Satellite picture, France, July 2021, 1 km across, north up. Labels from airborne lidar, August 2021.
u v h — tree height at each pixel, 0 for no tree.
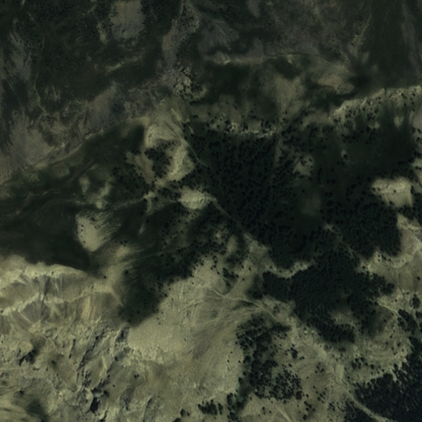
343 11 0
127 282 0
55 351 0
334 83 0
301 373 0
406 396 19
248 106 0
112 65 0
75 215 0
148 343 0
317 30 0
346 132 0
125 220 0
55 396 0
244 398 0
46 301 0
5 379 0
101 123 0
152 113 0
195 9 0
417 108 0
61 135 0
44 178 0
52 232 0
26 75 0
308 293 22
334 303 9
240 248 0
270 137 0
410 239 0
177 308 0
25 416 0
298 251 18
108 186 0
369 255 11
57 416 0
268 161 18
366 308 17
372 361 6
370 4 0
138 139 0
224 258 0
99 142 0
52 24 0
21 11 0
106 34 0
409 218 8
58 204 0
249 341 18
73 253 0
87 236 0
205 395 0
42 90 0
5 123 0
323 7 0
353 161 0
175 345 0
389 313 0
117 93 0
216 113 0
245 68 0
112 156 0
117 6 0
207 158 0
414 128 6
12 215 0
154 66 0
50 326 0
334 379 0
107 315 0
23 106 0
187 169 0
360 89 0
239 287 0
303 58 0
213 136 17
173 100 0
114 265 0
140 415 0
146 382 0
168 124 0
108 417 0
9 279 0
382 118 0
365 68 0
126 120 0
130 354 0
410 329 10
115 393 0
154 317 0
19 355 0
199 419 0
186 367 0
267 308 0
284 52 0
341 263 21
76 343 0
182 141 0
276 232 20
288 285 10
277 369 0
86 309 0
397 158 0
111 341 0
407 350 0
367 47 0
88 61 0
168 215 0
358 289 19
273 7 0
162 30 0
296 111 0
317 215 0
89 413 0
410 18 0
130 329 0
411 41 0
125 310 0
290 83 0
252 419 0
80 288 0
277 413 0
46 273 0
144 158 0
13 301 0
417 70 0
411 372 12
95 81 0
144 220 0
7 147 0
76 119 0
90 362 0
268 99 0
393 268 0
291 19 0
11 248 0
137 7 0
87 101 0
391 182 0
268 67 0
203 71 0
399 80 0
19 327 0
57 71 0
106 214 0
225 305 0
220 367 0
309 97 0
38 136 0
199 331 0
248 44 0
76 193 0
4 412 0
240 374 0
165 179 0
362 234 17
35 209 0
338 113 0
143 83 0
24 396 0
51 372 0
